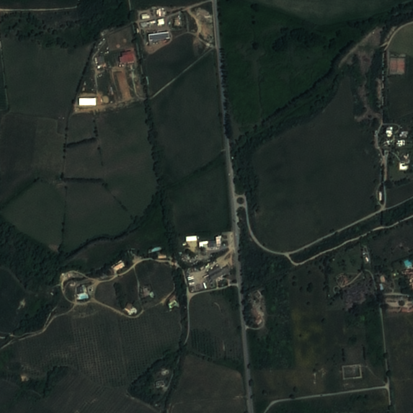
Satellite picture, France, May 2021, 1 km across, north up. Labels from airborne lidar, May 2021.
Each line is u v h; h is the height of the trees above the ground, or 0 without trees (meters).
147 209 8
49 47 9
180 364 9
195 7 0
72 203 0
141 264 0
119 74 0
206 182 0
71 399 0
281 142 0
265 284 6
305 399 0
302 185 0
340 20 0
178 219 0
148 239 0
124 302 9
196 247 0
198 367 0
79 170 0
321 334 0
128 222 0
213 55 0
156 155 11
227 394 0
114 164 0
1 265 7
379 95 0
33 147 0
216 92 0
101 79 0
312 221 0
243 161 9
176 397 0
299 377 0
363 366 0
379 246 0
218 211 0
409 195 0
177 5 0
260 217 0
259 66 0
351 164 0
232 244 0
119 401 0
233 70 0
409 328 0
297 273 0
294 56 0
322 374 0
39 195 0
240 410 0
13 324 0
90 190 0
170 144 0
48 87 0
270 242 0
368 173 0
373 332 0
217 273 0
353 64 8
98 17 13
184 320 7
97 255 0
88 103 0
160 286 0
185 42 0
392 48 0
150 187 0
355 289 0
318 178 0
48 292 0
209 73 0
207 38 0
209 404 0
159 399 7
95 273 6
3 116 0
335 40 11
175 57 0
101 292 0
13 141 0
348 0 0
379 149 0
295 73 0
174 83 0
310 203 0
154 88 0
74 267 8
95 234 0
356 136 0
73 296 0
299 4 0
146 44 0
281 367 0
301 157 0
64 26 9
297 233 0
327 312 0
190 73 0
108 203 0
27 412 0
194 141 0
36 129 0
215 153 0
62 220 0
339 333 0
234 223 0
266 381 0
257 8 13
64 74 0
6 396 0
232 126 16
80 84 8
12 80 0
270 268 9
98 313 0
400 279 7
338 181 0
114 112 0
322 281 0
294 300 0
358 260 0
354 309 16
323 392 0
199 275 0
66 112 0
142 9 0
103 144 0
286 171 0
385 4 0
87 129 0
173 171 0
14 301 0
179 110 0
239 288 0
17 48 0
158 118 0
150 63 0
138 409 0
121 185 0
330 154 0
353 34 0
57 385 0
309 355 0
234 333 0
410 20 6
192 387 0
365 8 0
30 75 0
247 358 0
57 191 0
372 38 0
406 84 0
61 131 0
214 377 0
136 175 0
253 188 7
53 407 0
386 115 7
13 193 0
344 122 0
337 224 0
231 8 0
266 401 0
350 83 0
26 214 0
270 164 0
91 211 0
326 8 0
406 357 0
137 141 0
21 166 0
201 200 0
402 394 0
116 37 0
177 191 0
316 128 0
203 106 0
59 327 0
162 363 12
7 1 0
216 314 0
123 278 0
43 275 12
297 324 0
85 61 0
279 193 0
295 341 0
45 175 0
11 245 12
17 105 0
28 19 9
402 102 0
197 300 0
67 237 0
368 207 0
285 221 0
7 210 0
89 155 0
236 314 0
